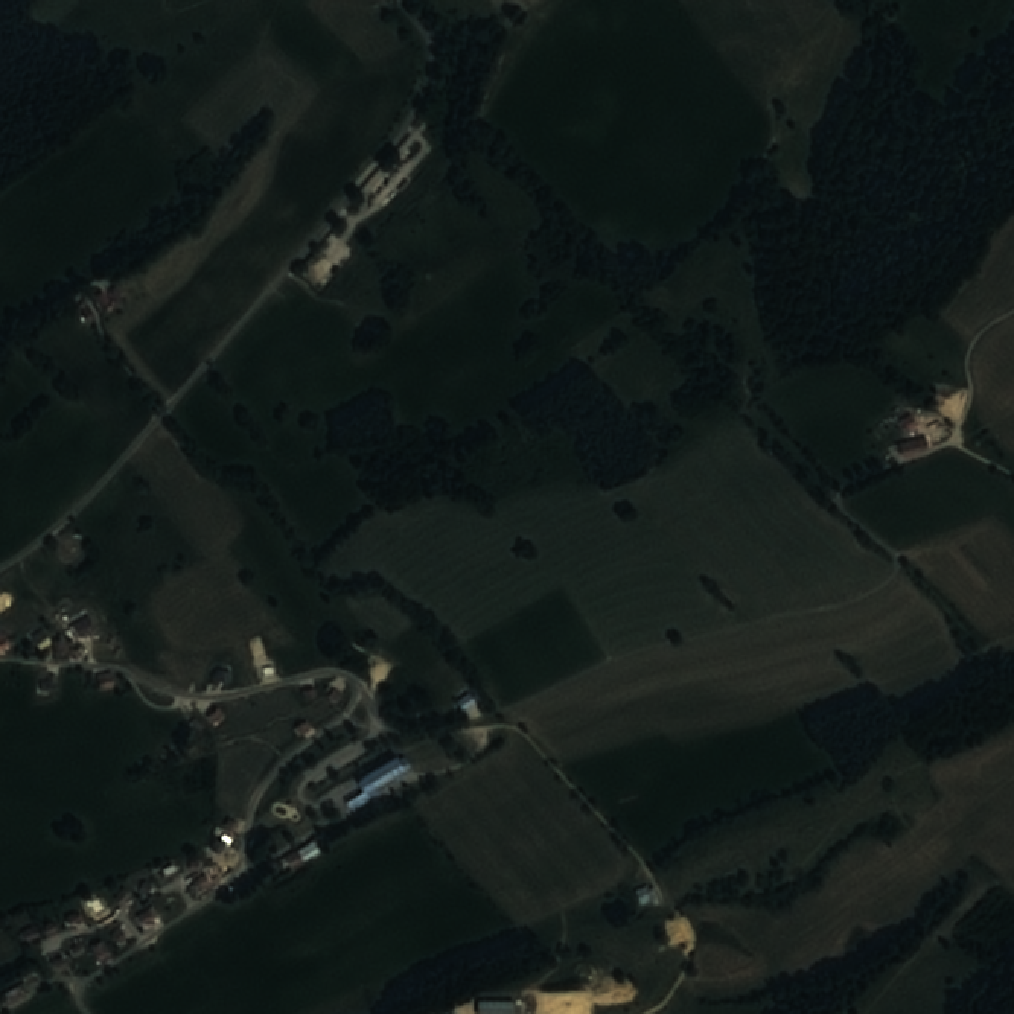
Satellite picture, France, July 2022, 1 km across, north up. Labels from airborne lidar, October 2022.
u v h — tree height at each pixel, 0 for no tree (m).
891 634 0
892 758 0
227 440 0
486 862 0
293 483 0
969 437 0
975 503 0
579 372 22
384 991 0
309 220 0
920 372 0
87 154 0
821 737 23
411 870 0
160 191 0
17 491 0
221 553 0
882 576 0
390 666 0
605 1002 0
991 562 0
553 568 0
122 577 0
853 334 20
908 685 0
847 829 0
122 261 16
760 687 0
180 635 0
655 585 0
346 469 0
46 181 0
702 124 0
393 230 0
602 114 0
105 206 0
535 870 0
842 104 27
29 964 8
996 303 0
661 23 0
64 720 0
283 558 0
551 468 0
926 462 0
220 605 0
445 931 0
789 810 0
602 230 0
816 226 35
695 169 0
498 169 11
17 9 27
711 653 0
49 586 0
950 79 0
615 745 0
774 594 0
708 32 0
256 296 0
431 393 0
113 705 0
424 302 0
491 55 6
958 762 0
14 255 0
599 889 0
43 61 28
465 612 0
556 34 0
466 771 0
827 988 15
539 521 0
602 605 0
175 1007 0
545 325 0
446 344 0
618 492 0
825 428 0
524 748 0
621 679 0
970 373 0
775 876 9
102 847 0
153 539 0
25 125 15
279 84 0
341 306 0
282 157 0
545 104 0
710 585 12
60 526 0
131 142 0
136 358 0
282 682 0
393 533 0
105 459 0
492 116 0
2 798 0
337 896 0
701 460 0
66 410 0
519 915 0
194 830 0
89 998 0
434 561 0
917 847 0
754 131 0
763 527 0
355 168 0
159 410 13
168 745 0
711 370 7
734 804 0
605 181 0
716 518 0
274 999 0
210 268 0
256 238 0
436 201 0
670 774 0
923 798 0
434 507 0
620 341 17
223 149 0
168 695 0
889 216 16
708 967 0
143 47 0
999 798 0
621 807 0
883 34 7
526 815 0
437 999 20
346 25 0
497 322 0
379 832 0
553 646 0
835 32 0
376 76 0
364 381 0
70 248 0
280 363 0
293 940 0
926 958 0
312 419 12
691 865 0
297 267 11
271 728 0
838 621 0
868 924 0
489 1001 0
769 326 9
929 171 19
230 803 0
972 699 9
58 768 0
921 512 0
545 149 0
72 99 30
